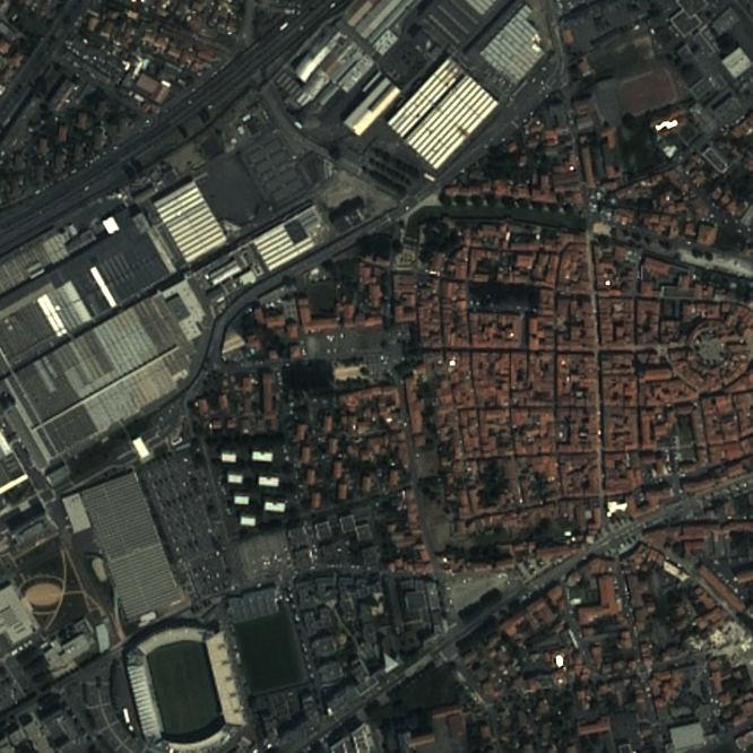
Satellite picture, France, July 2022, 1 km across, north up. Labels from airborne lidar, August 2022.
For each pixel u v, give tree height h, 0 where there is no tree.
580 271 0
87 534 0
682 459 0
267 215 0
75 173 7
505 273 0
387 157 13
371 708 14
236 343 0
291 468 13
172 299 0
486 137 0
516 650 6
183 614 0
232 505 10
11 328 0
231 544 0
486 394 0
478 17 0
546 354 0
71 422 0
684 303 0
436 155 0
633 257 0
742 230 0
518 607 15
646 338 0
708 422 0
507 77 0
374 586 0
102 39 0
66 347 0
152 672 0
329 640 0
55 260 0
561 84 0
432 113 0
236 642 0
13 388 0
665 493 0
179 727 0
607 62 0
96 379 0
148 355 0
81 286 0
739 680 6
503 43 0
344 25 0
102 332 0
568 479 0
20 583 0
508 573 0
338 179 0
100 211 0
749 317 0
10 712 8
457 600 0
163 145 0
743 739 0
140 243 0
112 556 0
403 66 0
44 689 8
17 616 0
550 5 0
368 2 0
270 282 0
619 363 0
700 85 0
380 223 0
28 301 0
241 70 0
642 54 0
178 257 0
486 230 0
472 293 9
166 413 0
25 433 0
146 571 0
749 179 6
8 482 0
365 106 0
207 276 0
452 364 0
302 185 0
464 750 0
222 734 0
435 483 6
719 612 0
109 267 0
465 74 0
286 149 0
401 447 0
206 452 0
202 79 0
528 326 0
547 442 0
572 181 0
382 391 0
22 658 7
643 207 14
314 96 0
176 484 0
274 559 0
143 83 0
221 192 0
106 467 0
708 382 0
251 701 11
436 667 13
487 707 0
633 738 0
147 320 0
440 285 0
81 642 0
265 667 0
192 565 0
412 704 0
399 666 13
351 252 0
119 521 0
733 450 0
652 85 0
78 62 0
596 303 0
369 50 0
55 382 0
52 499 0
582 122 0
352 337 0
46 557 0
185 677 0
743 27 0
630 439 0
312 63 0
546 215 0
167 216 0
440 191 0
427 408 5
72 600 0
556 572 0
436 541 0
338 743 0
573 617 0
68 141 10
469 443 0
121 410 0
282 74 0
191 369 0
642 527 0
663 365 0
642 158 0
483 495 11
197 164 0
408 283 0
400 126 0
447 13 0
